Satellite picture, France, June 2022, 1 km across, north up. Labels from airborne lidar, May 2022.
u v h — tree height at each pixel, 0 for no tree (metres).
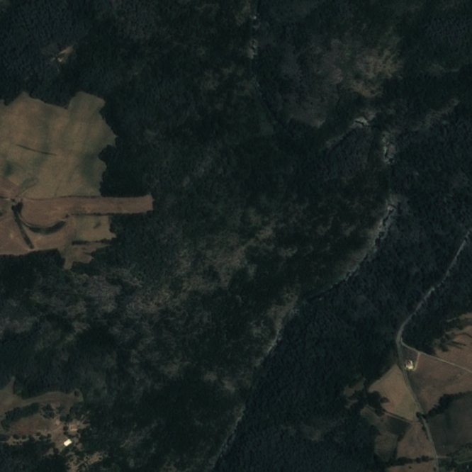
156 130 9
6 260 8
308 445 7
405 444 0
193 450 11
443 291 13
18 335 16
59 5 17
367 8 9
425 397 0
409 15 9
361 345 9
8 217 0
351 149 16
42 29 16
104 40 13
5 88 12
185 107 14
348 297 10
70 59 8
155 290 10
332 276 8
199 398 14
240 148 7
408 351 0
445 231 7
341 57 0
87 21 9
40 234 0
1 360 20
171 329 11
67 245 0
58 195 0
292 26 13
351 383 8
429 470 0
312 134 12
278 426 16
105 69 14
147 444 11
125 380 9
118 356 7
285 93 9
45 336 8
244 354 6
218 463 13
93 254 9
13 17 10
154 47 12
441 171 9
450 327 10
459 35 20
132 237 12
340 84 7
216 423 6
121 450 11
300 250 9
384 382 0
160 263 11
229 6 11
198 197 11
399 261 8
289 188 10
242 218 8
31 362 12
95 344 9
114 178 14
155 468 10
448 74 10
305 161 13
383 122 10
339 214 10
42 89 16
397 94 11
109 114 16
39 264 7
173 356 7
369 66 0
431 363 0
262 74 11
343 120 10
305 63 12
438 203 13
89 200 0
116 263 11
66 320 7
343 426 7
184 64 16
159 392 7
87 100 0
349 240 10
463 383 0
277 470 12
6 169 0
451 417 0
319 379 8
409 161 10
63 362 8
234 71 8
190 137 13
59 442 0
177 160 7
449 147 7
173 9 22
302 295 9
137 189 10
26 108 0
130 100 12
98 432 10
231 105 9
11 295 10
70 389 13
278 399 13
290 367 9
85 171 0
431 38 17
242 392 10
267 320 12
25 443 8
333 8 7
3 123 0
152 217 13
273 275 7
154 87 13
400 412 0
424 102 10
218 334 15
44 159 0
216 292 14
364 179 10
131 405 8
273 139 8
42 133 0
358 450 21
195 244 9
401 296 10
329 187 6
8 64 17
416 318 6
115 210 0
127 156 9
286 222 13
